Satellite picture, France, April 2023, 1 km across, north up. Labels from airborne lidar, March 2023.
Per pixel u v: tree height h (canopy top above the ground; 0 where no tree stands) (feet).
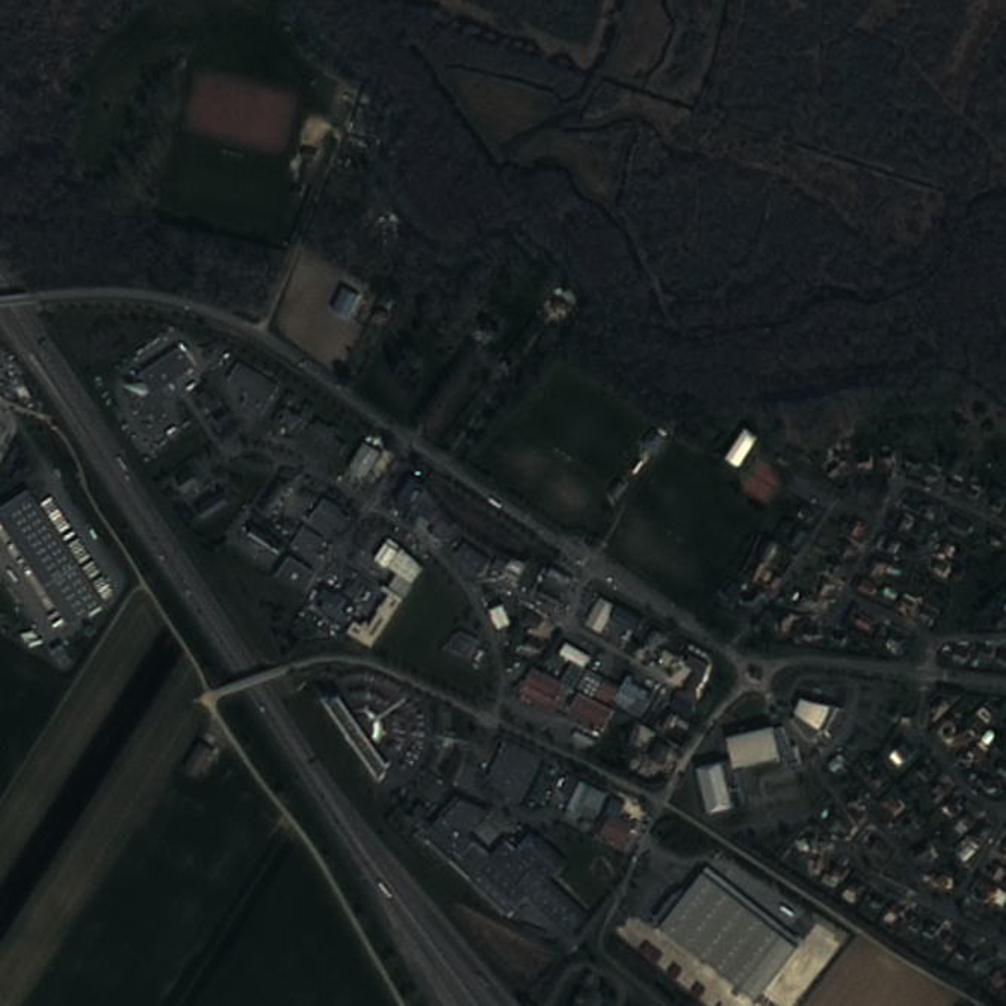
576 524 0
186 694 0
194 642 0
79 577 0
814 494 0
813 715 0
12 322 0
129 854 0
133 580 0
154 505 0
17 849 0
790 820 0
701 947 0
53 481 0
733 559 0
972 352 65
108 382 0
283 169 0
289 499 0
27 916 0
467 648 0
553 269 50
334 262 59
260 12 0
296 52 0
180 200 0
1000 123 20
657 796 0
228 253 102
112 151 0
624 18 0
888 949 0
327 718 0
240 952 0
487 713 0
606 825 0
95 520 0
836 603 0
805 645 20
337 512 0
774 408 111
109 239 84
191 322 33
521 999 26
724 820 0
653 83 0
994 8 0
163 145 84
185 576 0
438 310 84
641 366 65
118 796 0
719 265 18
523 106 0
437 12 40
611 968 0
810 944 0
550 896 0
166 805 0
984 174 67
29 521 0
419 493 0
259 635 0
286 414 0
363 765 0
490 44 32
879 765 25
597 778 31
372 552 0
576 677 0
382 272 25
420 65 51
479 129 0
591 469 0
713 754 0
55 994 0
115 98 0
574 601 0
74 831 0
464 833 0
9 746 0
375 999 0
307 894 0
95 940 0
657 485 0
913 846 0
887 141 20
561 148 0
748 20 18
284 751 0
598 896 0
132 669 0
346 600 0
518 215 49
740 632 0
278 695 0
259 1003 0
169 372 0
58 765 0
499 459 0
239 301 108
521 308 0
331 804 0
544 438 0
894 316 48
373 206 66
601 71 0
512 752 0
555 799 0
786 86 17
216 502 0
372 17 62
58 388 0
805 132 25
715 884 0
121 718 0
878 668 0
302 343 0
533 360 79
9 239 107
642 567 0
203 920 0
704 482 0
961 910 33
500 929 0
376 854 0
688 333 46
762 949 0
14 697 0
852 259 22
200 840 0
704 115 42
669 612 0
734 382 94
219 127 0
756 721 0
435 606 0
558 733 0
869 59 18
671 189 39
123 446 0
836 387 60
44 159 69
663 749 0
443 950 0
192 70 0
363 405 0
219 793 0
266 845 0
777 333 51
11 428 0
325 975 0
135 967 0
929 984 0
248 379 0
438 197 69
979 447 0
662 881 0
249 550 0
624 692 0
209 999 0
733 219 20
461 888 0
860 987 0
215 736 0
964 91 0
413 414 0
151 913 0
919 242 43
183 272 82
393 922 0
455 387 41
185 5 0
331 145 0
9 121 81
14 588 0
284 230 0
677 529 0
